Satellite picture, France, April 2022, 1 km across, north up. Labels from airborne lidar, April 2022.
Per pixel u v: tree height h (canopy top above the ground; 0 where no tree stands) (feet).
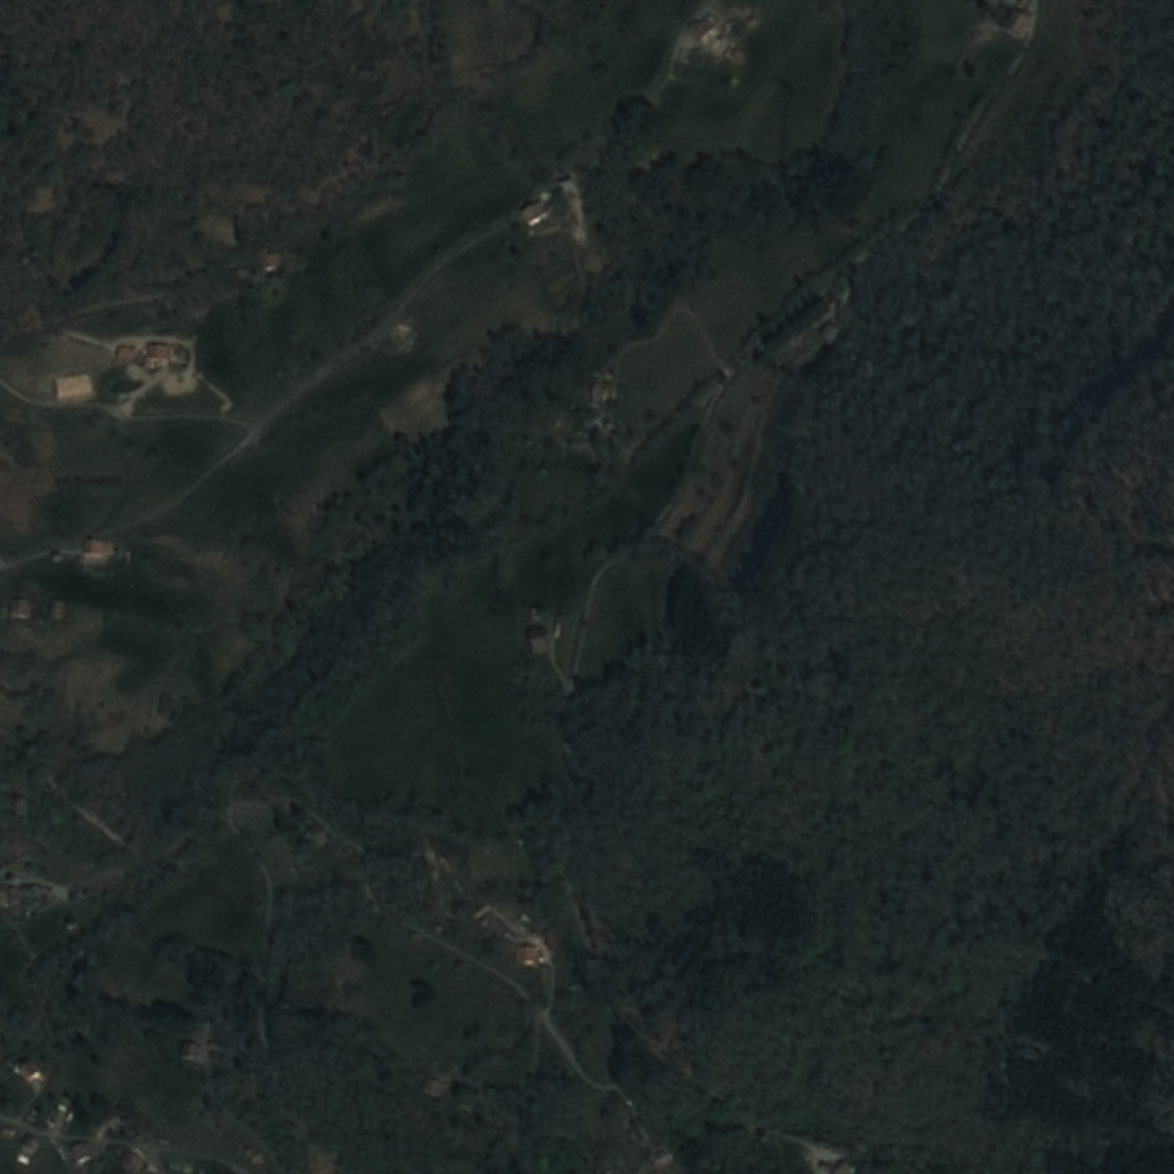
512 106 0
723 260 0
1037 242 35
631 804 63
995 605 48
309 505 0
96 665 0
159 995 0
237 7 28
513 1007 0
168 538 0
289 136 53
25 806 66
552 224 0
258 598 0
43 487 0
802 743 51
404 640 70
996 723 25
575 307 44
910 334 21
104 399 0
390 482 48
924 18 0
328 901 55
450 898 0
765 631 51
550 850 44
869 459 50
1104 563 63
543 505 0
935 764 47
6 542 0
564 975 0
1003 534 30
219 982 90
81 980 49
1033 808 26
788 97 0
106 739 0
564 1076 18
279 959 66
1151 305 32
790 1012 69
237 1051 61
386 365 0
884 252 31
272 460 0
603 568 0
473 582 0
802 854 38
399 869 51
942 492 48
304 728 52
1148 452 89
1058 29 0
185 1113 0
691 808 64
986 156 0
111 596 0
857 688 40
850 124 74
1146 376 91
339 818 74
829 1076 50
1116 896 70
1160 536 67
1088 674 60
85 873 0
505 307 0
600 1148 26
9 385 0
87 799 35
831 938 36
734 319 0
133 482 0
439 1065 0
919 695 20
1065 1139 36
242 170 34
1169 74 40
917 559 32
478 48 0
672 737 53
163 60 29
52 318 44
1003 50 0
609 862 63
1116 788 45
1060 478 48
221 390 0
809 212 97
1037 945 36
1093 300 55
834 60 0
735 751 59
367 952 61
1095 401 33
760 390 0
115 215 27
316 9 45
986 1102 41
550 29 58
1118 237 24
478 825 0
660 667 57
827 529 56
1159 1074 69
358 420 0
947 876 73
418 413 0
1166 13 42
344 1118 61
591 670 0
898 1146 43
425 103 0
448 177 0
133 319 0
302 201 28
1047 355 59
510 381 96
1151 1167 58
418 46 60
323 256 0
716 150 0
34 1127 0
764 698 21
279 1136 65
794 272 0
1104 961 54
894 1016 64
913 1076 26
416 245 0
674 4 0
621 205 57
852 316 65
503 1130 22
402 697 0
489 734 0
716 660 39
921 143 0
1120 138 31
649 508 0
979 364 52
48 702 32
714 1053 81
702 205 57
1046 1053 66
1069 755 57
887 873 69
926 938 80
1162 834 62
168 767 72
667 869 65
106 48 31
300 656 21
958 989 63
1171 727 55
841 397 64
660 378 0
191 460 0
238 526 0
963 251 20
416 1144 49
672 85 0
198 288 48
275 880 0
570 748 45
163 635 0
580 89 0
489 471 79
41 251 28
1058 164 22
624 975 64
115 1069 0
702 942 71
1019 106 0
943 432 64
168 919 0
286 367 0
